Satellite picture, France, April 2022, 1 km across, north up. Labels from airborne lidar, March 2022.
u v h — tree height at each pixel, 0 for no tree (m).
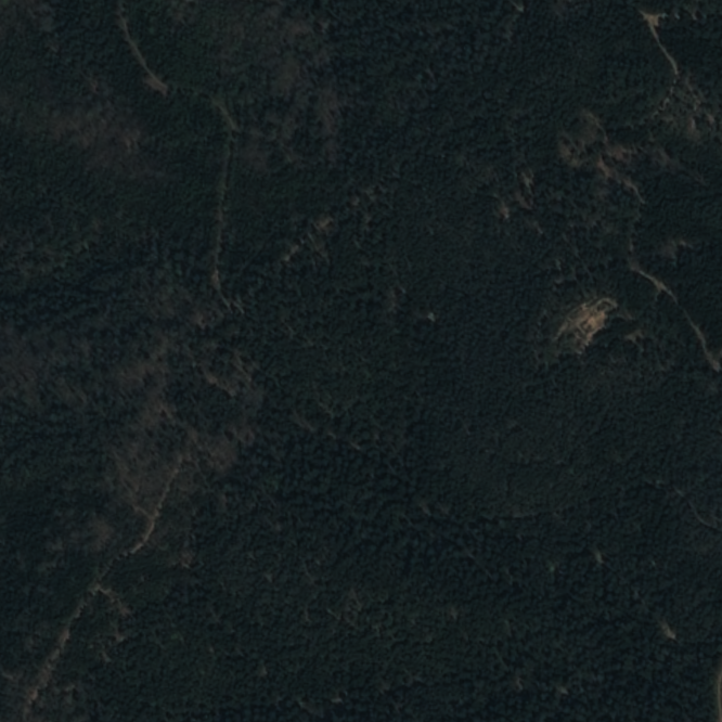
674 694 37
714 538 21
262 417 30
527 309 26
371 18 24
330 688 28
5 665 12
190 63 13
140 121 9
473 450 21
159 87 0
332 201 10
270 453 20
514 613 31
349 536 33
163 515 11
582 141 18
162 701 27
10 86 12
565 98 22
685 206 22
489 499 27
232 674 22
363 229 26
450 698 28
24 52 12
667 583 26
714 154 6
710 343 17
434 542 20
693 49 18
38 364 20
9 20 12
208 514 20
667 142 11
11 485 23
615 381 21
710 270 19
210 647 26
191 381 25
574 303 13
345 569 28
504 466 22
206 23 14
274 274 26
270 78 14
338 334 21
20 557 25
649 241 22
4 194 7
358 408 18
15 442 23
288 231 7
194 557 24
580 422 24
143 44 9
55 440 29
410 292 27
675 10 26
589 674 27
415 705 31
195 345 29
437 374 27
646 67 29
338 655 20
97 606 6
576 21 27
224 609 30
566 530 26
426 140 16
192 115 10
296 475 17
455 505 26
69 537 13
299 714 37
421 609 23
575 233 21
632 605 26
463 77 25
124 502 12
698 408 22
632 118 10
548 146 22
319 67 27
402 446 27
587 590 8
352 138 10
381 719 35
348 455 37
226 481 9
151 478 13
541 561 28
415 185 28
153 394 20
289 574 21
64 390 18
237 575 23
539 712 34
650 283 14
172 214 11
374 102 18
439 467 26
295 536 20
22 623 7
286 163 13
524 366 18
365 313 36
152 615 21
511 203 18
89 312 24
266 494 24
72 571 12
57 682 12
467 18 28
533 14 24
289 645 19
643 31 24
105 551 11
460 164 18
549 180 8
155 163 12
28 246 20
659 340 11
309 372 23
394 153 21
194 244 10
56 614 13
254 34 18
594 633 26
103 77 12
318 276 23
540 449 18
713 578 21
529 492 23
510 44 24
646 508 28
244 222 10
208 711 25
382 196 20
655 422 26
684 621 27
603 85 8
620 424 25
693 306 20
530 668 32
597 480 19
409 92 9
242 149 12
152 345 29
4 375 17
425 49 31
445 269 24
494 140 24
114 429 27
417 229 23
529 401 21
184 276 11
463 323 19
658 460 22
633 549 21
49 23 26
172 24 11
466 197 24
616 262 8
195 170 9
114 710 33
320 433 19
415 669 23
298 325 23
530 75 24
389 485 37
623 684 34
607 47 19
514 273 21
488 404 20
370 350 24
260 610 23
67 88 14
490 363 24
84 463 30
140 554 10
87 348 32
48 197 10
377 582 16
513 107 19
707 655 20
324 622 20
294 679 23
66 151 8
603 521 22
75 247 20
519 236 23
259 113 9
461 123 20
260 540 23
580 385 26
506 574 35
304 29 25
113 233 7
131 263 8
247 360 13
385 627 22
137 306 32
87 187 12
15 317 32
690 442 26
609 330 11
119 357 32
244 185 10
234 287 28
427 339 27
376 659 26
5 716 15
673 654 22
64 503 8
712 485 24
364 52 5
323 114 19
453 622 18
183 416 17
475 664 27
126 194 12
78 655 9
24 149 9
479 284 22
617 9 22
